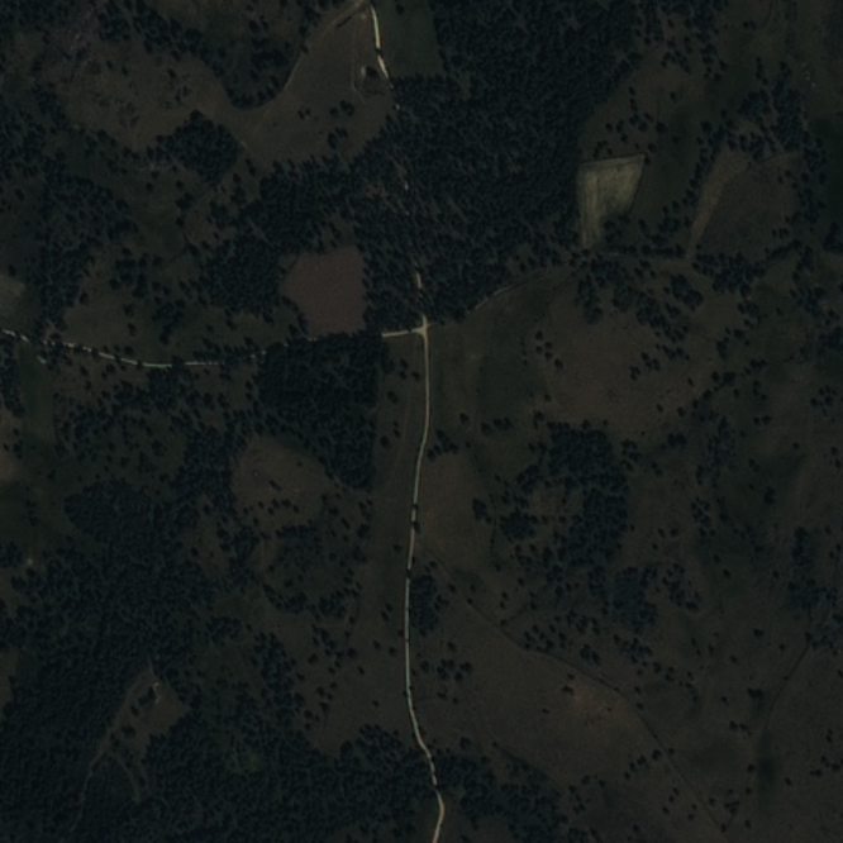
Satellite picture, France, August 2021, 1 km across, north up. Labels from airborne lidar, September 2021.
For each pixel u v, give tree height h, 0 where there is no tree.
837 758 0
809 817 0
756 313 11
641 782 0
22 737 15
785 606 0
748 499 0
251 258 16
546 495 0
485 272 20
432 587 14
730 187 0
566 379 0
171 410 13
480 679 0
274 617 0
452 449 10
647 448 0
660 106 0
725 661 0
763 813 0
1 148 18
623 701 0
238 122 0
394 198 21
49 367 8
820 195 0
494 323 0
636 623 7
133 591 13
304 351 13
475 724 0
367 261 10
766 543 0
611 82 15
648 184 0
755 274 14
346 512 0
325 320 0
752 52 0
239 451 14
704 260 12
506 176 18
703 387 0
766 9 0
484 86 11
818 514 0
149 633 9
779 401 0
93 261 11
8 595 0
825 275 0
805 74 0
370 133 0
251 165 9
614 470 14
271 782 9
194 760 16
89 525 12
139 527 11
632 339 0
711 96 0
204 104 0
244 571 8
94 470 0
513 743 0
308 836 7
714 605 0
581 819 0
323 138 0
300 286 0
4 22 12
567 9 6
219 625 16
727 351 13
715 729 0
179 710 0
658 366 8
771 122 0
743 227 0
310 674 0
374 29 0
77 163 0
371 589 0
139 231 12
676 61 10
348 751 15
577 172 13
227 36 0
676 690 0
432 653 0
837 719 0
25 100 0
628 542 0
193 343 0
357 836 0
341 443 13
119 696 11
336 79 0
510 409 0
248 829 15
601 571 11
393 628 0
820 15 0
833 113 0
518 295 0
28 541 0
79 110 0
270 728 7
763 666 0
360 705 0
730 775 0
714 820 0
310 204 15
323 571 0
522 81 16
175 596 12
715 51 13
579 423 0
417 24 0
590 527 14
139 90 0
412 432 0
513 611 0
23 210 0
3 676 0
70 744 14
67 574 11
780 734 0
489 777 7
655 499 0
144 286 16
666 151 0
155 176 9
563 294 0
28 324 0
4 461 0
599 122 0
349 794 11
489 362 0
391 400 6
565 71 21
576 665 0
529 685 0
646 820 0
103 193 10
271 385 17
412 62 0
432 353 0
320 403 12
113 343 0
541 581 0
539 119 17
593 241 0
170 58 0
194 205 7
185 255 0
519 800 8
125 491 10
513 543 6
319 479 0
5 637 16
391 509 0
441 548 0
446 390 0
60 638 0
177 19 0
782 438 0
